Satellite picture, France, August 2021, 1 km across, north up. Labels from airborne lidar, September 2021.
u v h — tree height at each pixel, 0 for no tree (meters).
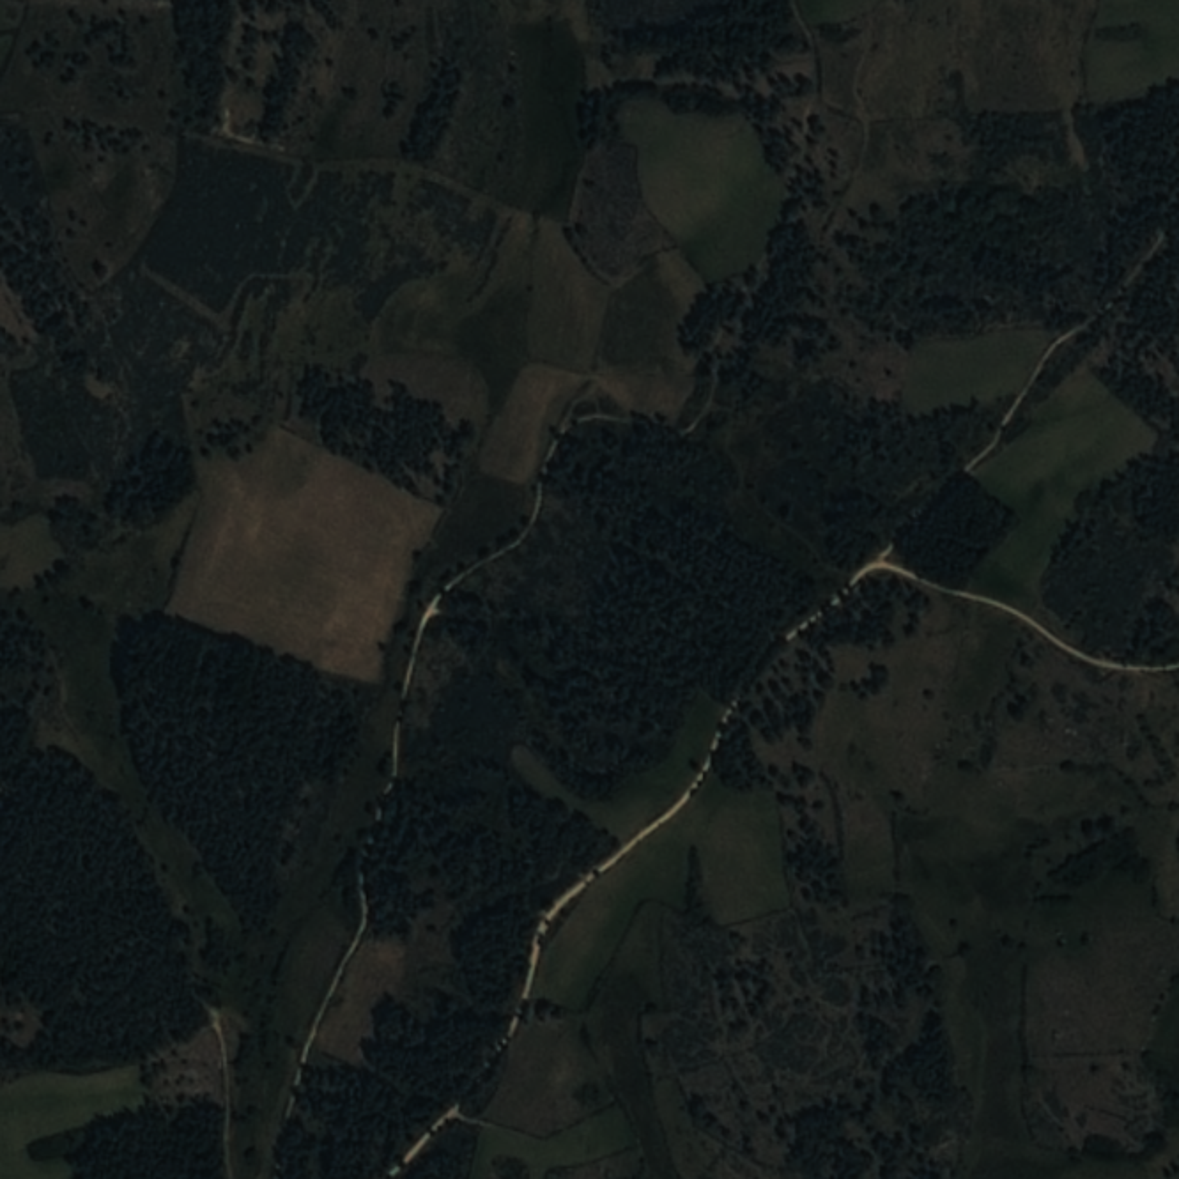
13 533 0
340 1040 0
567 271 0
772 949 0
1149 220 13
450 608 9
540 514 0
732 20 21
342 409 17
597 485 18
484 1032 16
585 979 0
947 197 7
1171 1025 0
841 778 0
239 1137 0
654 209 0
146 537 0
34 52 8
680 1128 0
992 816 0
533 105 0
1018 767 0
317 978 0
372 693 0
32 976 16
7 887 15
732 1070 0
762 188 0
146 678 27
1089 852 7
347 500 0
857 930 0
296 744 15
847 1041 0
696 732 0
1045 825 0
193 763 20
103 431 0
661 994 0
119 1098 0
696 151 0
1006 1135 0
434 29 0
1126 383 12
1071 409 0
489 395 0
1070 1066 0
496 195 0
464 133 0
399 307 0
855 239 7
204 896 0
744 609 17
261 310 0
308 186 0
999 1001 0
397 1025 17
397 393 12
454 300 0
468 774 12
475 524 0
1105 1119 0
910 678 0
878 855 0
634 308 0
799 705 16
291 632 0
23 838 14
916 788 0
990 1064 0
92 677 0
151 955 17
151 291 0
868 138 0
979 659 0
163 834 0
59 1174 0
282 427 0
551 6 0
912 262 7
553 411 0
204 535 0
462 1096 10
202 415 0
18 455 0
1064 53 0
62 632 0
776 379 0
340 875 10
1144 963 0
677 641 15
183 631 15
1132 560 0
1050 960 0
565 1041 0
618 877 0
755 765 12
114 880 13
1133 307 11
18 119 0
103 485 0
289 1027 0
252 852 18
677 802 0
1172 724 0
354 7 0
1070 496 0
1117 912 0
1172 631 13
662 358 0
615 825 0
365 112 0
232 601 0
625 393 0
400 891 15
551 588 0
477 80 0
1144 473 15
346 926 0
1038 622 0
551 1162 0
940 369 0
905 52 0
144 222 0
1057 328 7
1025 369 0
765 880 0
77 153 0
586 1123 0
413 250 0
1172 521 15
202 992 13
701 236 0
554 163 0
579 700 13
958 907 0
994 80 0
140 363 0
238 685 28
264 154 0
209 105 15
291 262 0
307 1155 11
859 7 0
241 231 0
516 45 0
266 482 0
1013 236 10
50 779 12
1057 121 0
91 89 0
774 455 0
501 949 14
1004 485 0
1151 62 0
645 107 0
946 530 21
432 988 0
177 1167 18
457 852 16
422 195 0
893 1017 0
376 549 0
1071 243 0
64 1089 0
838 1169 10
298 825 11
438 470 10
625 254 0
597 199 0
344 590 0
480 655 14
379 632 0
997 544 9
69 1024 8
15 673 12
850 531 15
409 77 0
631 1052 0
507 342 0
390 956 0
